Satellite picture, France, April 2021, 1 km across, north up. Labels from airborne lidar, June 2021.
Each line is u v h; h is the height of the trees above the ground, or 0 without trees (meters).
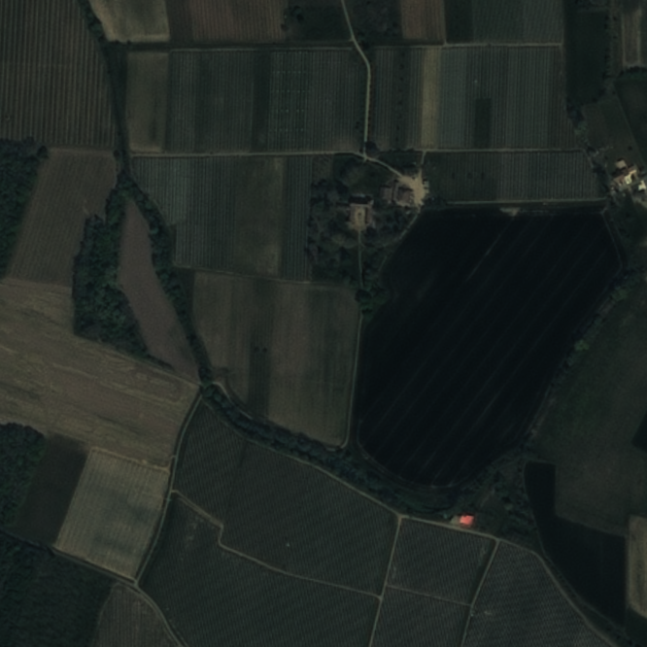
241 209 0
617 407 0
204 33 0
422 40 0
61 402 0
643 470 0
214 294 0
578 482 0
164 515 0
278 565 0
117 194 12
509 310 0
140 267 0
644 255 0
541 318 0
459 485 0
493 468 18
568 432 0
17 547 13
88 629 8
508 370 0
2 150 19
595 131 0
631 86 0
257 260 0
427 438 0
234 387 0
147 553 0
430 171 0
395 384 0
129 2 0
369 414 0
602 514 0
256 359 0
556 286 0
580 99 0
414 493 0
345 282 13
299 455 7
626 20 0
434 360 0
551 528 0
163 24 0
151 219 12
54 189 0
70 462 0
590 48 0
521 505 13
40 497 0
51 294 0
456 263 0
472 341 0
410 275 0
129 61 0
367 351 0
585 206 0
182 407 0
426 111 0
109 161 0
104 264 20
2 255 10
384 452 0
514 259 0
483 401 0
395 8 0
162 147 0
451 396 0
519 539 19
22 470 18
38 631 7
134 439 0
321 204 15
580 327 0
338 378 0
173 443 0
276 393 0
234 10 0
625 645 0
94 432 0
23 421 0
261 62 0
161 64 0
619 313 0
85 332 10
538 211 0
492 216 0
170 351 0
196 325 0
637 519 0
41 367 0
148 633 0
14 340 0
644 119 0
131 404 0
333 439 0
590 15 0
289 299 0
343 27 0
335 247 20
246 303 0
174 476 0
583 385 0
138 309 0
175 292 14
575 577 0
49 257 0
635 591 0
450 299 0
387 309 0
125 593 0
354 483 14
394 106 0
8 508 18
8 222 15
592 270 0
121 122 0
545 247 0
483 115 0
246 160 0
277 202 0
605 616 0
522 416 0
